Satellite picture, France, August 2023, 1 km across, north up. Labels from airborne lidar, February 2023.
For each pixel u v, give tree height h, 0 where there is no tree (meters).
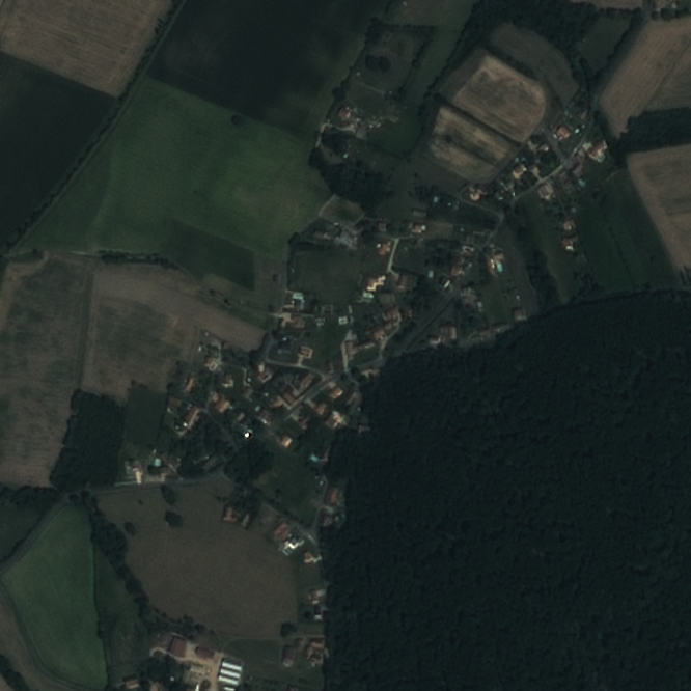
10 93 0
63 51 0
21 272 0
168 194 0
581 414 24
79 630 0
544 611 23
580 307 16
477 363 24
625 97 0
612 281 0
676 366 23
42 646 0
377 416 24
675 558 16
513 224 14
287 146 0
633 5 0
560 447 27
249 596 0
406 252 0
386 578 26
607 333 27
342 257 0
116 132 0
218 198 0
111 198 0
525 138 0
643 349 26
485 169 0
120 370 0
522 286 0
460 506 27
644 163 0
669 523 26
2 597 0
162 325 0
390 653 26
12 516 0
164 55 0
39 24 0
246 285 0
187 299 0
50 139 0
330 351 0
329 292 0
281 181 0
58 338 0
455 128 0
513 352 20
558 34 19
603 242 0
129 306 0
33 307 0
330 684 11
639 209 0
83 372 0
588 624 24
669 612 22
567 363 25
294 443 0
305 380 0
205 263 0
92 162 0
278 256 0
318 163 15
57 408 0
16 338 0
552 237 0
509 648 26
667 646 21
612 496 24
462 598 27
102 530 17
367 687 14
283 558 0
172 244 0
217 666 0
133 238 0
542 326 19
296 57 0
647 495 23
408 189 0
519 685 22
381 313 0
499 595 27
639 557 22
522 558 26
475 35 11
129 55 0
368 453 25
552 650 24
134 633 0
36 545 0
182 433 0
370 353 0
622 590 23
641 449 24
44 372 0
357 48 0
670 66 0
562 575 24
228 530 0
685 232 0
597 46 0
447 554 25
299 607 0
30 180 0
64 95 0
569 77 0
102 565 0
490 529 25
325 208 0
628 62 0
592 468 20
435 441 25
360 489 21
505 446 22
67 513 0
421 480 25
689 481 26
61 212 0
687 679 21
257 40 0
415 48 0
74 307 0
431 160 0
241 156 0
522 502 24
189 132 0
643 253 0
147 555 0
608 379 25
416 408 25
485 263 6
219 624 0
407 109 0
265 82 0
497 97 0
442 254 13
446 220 0
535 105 0
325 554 9
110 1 0
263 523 0
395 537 26
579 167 0
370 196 17
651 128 7
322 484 0
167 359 0
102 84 0
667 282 0
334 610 20
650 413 25
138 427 0
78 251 0
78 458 15
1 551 0
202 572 0
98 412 9
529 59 0
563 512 23
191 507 0
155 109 0
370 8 0
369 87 0
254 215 0
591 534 23
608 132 13
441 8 0
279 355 0
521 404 20
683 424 22
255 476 14
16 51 0
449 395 23
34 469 0
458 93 0
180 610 0
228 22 0
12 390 0
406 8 0
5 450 0
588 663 28
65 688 0
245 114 0
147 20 0
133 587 12
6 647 0
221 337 0
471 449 24
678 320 26
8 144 0
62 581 0
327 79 0
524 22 17
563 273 0
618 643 29
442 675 26
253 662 0
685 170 0
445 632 26
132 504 0
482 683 28
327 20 0
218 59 0
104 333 0
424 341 6
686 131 8
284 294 0
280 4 0
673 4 0
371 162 0
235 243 0
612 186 0
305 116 0
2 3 0
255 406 0
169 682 7
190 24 0
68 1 0
